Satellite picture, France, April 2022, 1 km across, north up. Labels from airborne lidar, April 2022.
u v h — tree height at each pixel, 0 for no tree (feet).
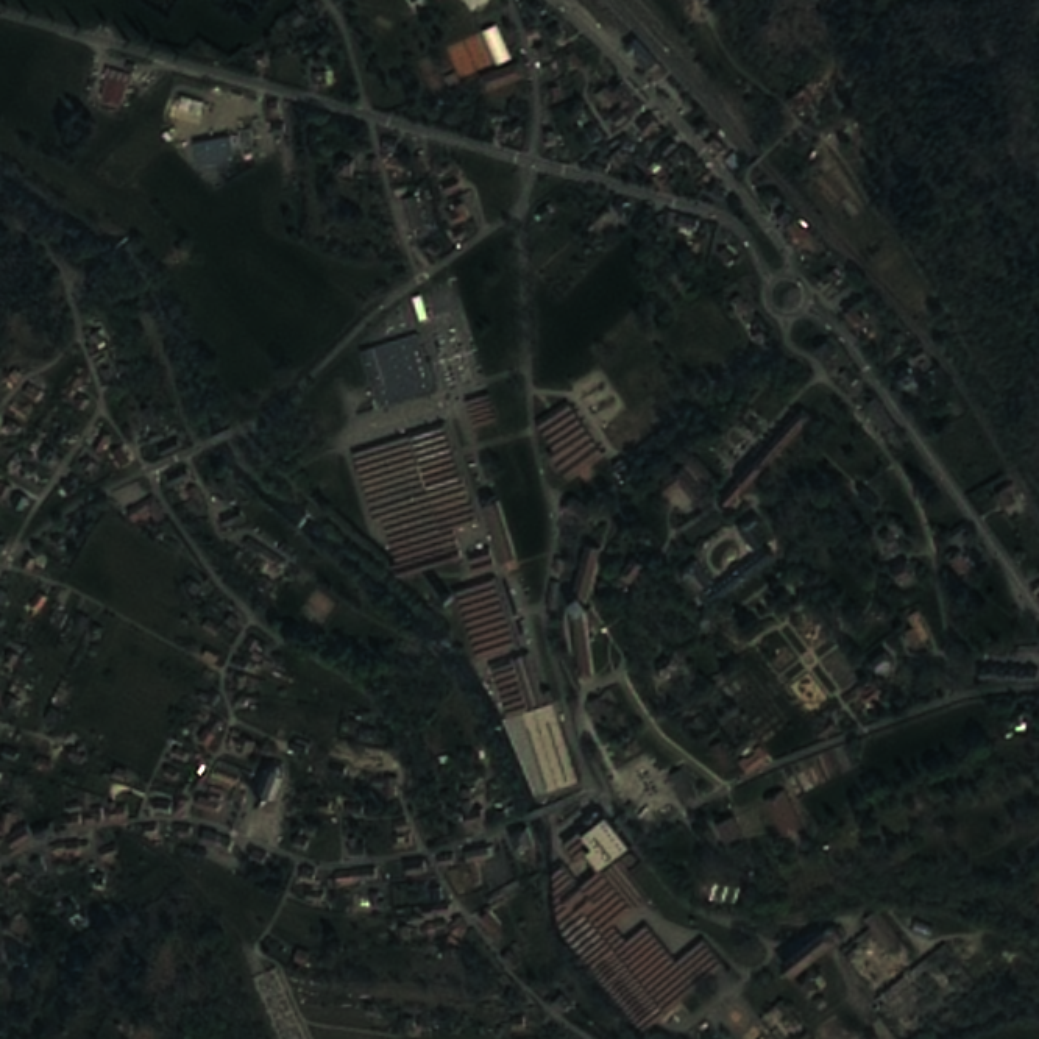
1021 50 51
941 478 0
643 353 0
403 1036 0
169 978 0
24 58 0
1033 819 106
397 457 0
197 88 0
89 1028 0
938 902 49
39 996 37
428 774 30
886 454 0
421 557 0
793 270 0
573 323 0
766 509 0
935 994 24
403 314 0
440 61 56
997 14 53
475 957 72
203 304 0
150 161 0
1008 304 34
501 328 0
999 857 0
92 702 0
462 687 31
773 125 41
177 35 0
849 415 54
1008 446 58
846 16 104
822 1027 0
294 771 0
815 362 0
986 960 0
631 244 0
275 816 0
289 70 0
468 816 0
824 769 0
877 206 63
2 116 23
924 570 53
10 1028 68
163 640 0
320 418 0
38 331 70
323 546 45
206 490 0
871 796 58
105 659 0
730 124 0
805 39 41
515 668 0
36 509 0
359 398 0
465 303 0
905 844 53
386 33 0
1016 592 0
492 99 0
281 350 0
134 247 46
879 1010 20
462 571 0
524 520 0
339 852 0
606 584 31
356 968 31
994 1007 76
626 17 0
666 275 51
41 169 0
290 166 0
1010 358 34
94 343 22
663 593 55
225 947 63
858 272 58
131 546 0
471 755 39
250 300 0
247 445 35
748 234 0
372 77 30
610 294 0
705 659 0
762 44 21
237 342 0
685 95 32
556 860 0
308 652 77
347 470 0
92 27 0
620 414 0
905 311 0
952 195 51
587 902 0
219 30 0
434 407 0
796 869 56
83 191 0
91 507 38
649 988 0
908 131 51
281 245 0
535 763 0
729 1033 35
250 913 0
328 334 0
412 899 22
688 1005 0
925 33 62
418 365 0
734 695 0
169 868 0
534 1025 0
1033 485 42
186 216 0
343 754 0
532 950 0
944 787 43
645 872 0
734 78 0
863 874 58
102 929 78
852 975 0
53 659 0
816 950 0
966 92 60
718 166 0
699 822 41
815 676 0
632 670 57
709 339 0
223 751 0
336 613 0
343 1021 0
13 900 24
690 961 0
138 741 0
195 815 0
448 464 0
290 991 0
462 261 0
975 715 0
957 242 34
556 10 0
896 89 36
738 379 79
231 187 0
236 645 0
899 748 0
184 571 0
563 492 0
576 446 0
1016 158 52
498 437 0
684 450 87
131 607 0
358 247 21
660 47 0
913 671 36
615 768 0
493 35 0
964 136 62
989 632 0
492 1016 0
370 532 0
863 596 0
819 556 87
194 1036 72
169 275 60
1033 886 38
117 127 0
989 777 67
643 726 44
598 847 0
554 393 0
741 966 0
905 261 0
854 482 0
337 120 38
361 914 0
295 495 56
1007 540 0
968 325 37
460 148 0
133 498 0
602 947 0
